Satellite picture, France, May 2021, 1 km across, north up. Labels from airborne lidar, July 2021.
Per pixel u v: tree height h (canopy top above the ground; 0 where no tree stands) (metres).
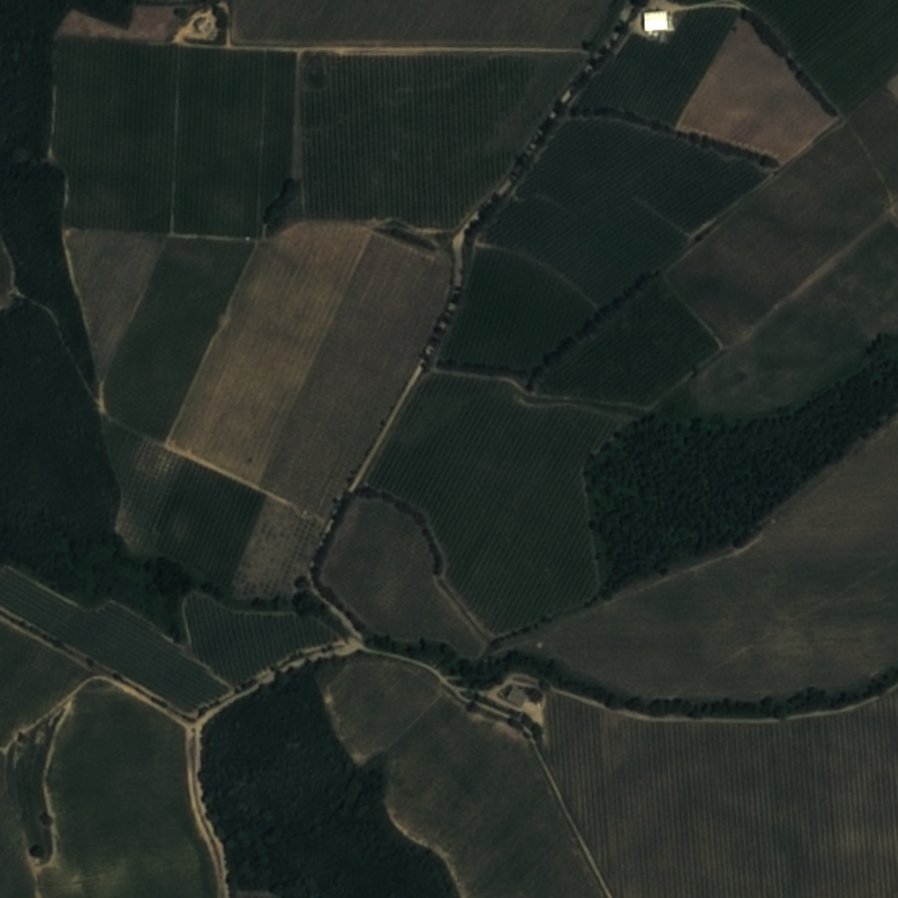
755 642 0
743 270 0
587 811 0
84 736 0
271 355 0
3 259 0
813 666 0
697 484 12
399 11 0
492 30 0
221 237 0
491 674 12
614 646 0
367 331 0
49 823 14
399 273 0
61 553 7
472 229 9
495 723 0
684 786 0
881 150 0
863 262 0
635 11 9
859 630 0
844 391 11
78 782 0
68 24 0
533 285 0
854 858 0
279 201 7
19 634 0
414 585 0
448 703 0
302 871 10
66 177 9
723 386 0
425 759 0
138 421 0
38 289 7
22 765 0
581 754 0
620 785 0
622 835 0
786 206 0
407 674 0
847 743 0
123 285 0
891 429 0
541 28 0
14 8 9
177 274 0
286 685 7
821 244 0
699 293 0
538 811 0
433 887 5
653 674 0
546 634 0
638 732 0
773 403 0
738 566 0
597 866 0
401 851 6
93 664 6
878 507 0
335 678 0
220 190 0
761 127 0
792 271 0
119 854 0
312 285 0
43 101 7
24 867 0
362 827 9
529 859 0
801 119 0
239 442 0
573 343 20
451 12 0
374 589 0
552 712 0
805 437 11
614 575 7
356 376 0
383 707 0
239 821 9
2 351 6
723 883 0
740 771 0
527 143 0
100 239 0
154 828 0
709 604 0
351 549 0
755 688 0
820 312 0
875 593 0
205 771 8
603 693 10
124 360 0
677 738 0
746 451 13
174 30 0
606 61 15
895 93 0
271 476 0
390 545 0
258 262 0
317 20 0
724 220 0
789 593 0
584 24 0
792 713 7
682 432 11
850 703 12
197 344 0
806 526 0
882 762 0
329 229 0
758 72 0
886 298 0
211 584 9
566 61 0
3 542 9
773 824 0
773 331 0
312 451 0
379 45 0
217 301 0
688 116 0
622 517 7
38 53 10
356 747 0
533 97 0
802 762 0
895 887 0
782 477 11
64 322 5
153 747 0
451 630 0
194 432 0
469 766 0
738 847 0
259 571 0
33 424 7
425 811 0
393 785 0
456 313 20
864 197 0
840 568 0
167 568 14
